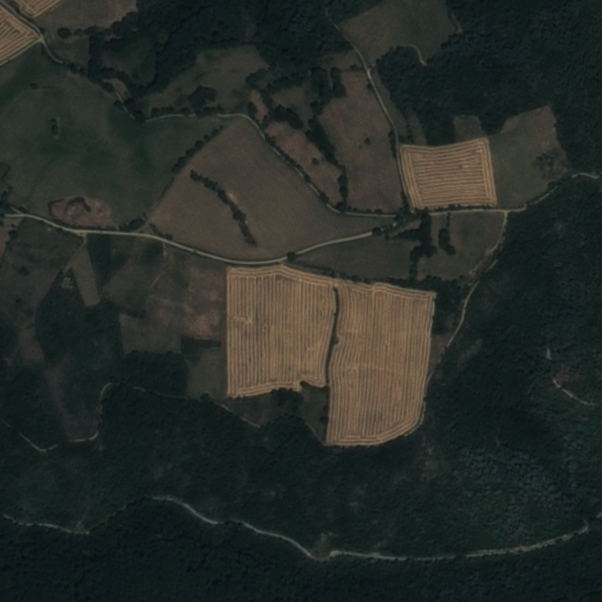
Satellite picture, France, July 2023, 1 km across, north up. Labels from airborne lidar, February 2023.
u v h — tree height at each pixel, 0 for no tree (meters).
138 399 12
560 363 16
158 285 0
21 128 0
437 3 0
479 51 8
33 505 6
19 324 0
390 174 0
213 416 9
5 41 0
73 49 0
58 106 0
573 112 10
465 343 9
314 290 0
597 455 15
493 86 15
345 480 11
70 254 0
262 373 0
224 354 0
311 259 0
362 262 0
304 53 20
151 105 0
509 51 21
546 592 26
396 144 7
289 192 0
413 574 22
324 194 10
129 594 21
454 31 0
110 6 0
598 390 14
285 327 0
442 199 0
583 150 13
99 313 7
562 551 18
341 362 0
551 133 0
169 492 15
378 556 0
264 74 15
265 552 23
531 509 9
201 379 0
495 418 16
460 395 18
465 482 6
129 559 21
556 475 18
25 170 0
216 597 25
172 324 0
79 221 0
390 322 0
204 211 0
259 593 23
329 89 15
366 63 0
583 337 7
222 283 0
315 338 0
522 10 9
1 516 19
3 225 10
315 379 0
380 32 0
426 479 8
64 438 5
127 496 8
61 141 0
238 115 0
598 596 22
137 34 14
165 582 18
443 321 0
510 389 25
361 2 14
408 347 0
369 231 0
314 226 0
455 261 0
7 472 11
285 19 20
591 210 18
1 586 25
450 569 19
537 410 21
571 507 26
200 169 0
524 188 0
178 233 0
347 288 0
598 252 15
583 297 17
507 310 16
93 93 0
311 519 9
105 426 12
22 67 0
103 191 0
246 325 0
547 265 18
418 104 9
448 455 9
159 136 0
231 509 13
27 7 0
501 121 14
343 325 0
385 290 0
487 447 21
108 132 0
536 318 20
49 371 0
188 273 0
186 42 19
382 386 0
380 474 7
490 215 0
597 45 14
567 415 15
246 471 12
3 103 0
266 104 10
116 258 0
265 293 0
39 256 0
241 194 0
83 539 22
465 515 7
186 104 0
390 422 0
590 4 18
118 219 0
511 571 17
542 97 8
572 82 16
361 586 28
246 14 18
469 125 0
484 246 0
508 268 8
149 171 0
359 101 0
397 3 0
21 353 0
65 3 0
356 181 0
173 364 8
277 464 17
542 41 12
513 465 21
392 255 0
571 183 6
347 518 7
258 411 0
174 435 7
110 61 0
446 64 10
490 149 0
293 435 10
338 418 0
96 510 7
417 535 21
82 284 0
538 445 14
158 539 20
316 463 11
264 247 0
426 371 0
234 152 0
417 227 0
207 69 0
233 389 0
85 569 23
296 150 0
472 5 11
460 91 13
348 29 0
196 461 9
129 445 15
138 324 0
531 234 8
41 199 0
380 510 7
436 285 6
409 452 10
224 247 0
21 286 0
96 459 19
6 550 26
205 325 0
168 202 0
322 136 6
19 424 12
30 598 28
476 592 25
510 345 18
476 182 0
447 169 0
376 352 0
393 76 8
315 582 23
